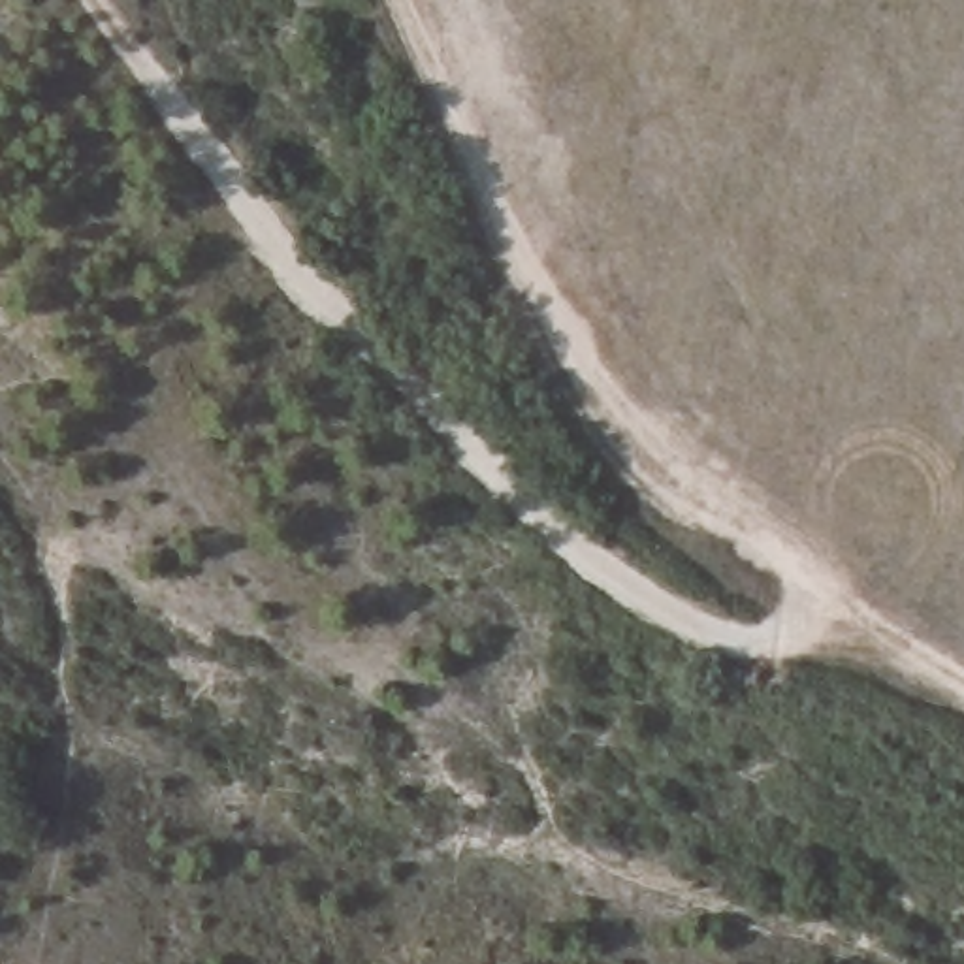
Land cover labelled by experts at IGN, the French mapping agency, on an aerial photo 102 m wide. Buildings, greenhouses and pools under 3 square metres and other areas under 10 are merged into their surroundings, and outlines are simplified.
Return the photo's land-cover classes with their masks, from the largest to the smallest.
<instances>
[{"label":"herbaceous vegetation","instance_id":"1","mask_svg":"<svg viewBox=\"0 0 964 964\"><path fill-rule=\"evenodd\" d=\"M90 0H0V60L19 64V72L34 79L41 68H49L45 30H68L90 75L98 79L102 98L109 102L113 94H128L132 117L139 121V151L154 143L166 147V158L154 166L166 207L173 215L203 211L211 233H241L237 218L230 215V203L215 188L211 169L188 158L181 136L169 132V117L158 109L151 87L128 72V64L113 53V41L98 30L94 15H87ZM38 264L23 256V237L8 241L0 230V395H8L11 414L23 410L30 429L23 433V448L34 459L64 463L75 456L79 478L87 486H102L139 474L162 444L181 441L192 429V403L203 392L154 384V392L147 395V418H139L124 433H109L98 444L72 452V444L60 437V422L83 410L72 399V384L83 380L90 369L83 365L79 350H72L64 313H26V290L34 286ZM218 324L237 331V343L226 350V358L233 365H245V384L237 388L233 403L218 414L222 426L271 422L275 407L267 392L275 384H286V392L301 399V410L316 418H346L350 399L339 395L335 380L316 377L309 369V362L320 354L324 335L335 324L309 316L279 286L256 301L237 297L218 313ZM109 320L102 324V335L143 369L158 350L203 335L196 324L181 320L177 297H158L154 313H143L136 297H128L109 301ZM286 478L297 482L309 505H301L279 527V538L290 546L282 557H252L245 550V535H230L218 527L173 535L169 527L177 512L166 505L162 490H147V501L132 508L102 501V527H87V512H72L68 520L64 512H53L38 527V554L64 625V644L56 659V719L26 712L34 727H45V738L30 742L23 768L8 783L19 806L45 821V844L53 847V855L45 862H34L23 877L8 885V915H19L26 930L0 934V964H908V956L892 953L870 934H859L855 926L764 915L757 904L742 908V900H727L715 889H697L674 877L655 859H629L610 847L587 851L561 832L542 764L535 761L531 723L523 719L538 708L550 682L546 663L554 618L520 610V595L497 584L493 572L512 569L520 554V542L505 535L474 542L459 527H448L437 542L403 546V538H410L414 531V520L403 508V482L410 478L407 441L395 433H365L358 444L339 437L335 452L309 448L286 467ZM75 565L109 569L132 591L136 603L162 610V621L173 629L177 651L169 667L181 678H188L192 697L211 700L226 723H233L245 700V682H264L275 689V697L282 700V734L271 746L267 761L271 787L252 791L245 783H215L211 791H203V810L211 813V821L166 825L162 832L143 828V795L136 791V764H166V746H158L154 734L143 727L109 731L79 712L72 697V670L79 663V629L72 618ZM663 531L674 535L689 557L708 565L731 591L757 599L768 614L779 606L783 591L776 572L742 557L731 538L670 520L663 523Z\"/></svg>","mask_w":964,"mask_h":964},{"label":"agricultural land","instance_id":"2","mask_svg":"<svg viewBox=\"0 0 964 964\"><path fill-rule=\"evenodd\" d=\"M392 19L407 41L410 60L422 79L456 90L459 105L471 109L474 128L467 136L486 139L490 162L501 169L493 196L505 230L512 222H523L531 249L542 256V267L550 271L565 301L587 320L595 350L603 365L621 380V388L644 410H674L678 429L734 467V474L742 478V497H768V516L783 531H798L802 546L810 538H828L832 569L844 572L847 584L874 610L911 625L919 640H930L934 648L964 663V0H395Z\"/></svg>","mask_w":964,"mask_h":964},{"label":"brushwood","instance_id":"3","mask_svg":"<svg viewBox=\"0 0 964 964\"><path fill-rule=\"evenodd\" d=\"M128 15V26L136 30V41L158 56L169 79H177V87L185 90L188 105L241 158H249L256 169H267L275 139H297L309 143L324 162L335 151V139H343V113L354 102L365 105L369 98L399 90L392 72L410 60L407 41L392 19L395 0H117ZM670 520L651 501H644L625 520V527L599 516L587 535L591 542L618 550L633 569H640L667 591L693 599L719 618L753 625L768 614L757 599L731 591L708 565L689 557L674 535L663 531V523ZM64 644V625L38 554V527L34 516L23 512L0 523V678L15 689V697H56V659ZM520 542V554L512 569L493 572L497 584L520 595V610L554 618L546 663L550 682L538 708L523 719L531 723L535 761L542 764L561 832L587 851L610 847L629 859H655L674 877L697 889H715L727 900H742V908L757 904L764 915L855 926L859 934H870L892 953L908 956V964H964V708L900 670H870L817 655L757 659L731 648L682 640L678 633L644 621L636 610L621 606L614 595L584 580L557 554L561 546L550 531L523 520L516 527H505V535ZM72 618L79 629V663L72 670V697L79 712L109 731L143 727L154 734L158 746H166V764H136V791L143 795V828L162 832L166 825L211 821V813L203 810V791H211L215 783H245L252 791L271 787L267 761L271 746L282 734V700L275 697V689L264 682H245V700L233 723H226L211 700L192 697L188 678H181L169 667L177 651L173 629L162 621V610L136 603L132 591L109 569L75 565Z\"/></svg>","mask_w":964,"mask_h":964},{"label":"deciduous trees","instance_id":"4","mask_svg":"<svg viewBox=\"0 0 964 964\"><path fill-rule=\"evenodd\" d=\"M49 68H41L34 79L19 72V64L0 60V230L8 241L23 237V256L38 264L34 286L26 290V313H64L72 350H79L83 365L90 369L83 380L72 384V399L83 410L60 422V437L72 444V452L98 444L109 433H124L139 418H147V395L154 392V384L203 392L192 403V429L181 441L162 444L139 474L102 486H87L79 478L75 456L64 463L34 459L23 448V433L30 429L23 410L11 414L8 395H0V523L23 512L34 516L38 527L53 512H64L68 520L72 512H87V527H102V501L132 508L147 501V490H162L166 505L177 512L169 527L173 535L218 527L230 535H245V550L252 557H282L290 546L279 538V527L301 505H309L297 482L286 478V467L309 448L335 452L339 437L358 444L365 433H395L407 441L410 478L403 482V508L414 520V531L410 538H403V546L437 542L448 527H459L474 542L505 535V527H516L523 520V512L531 508H554L580 535H587L599 516L587 505V497L569 490L580 452L557 429L546 392L531 384L523 354L497 335L490 313L497 290L463 264V252L471 245L456 241L463 226L459 181L444 169L437 143L418 147V113L410 98L399 90L369 98L365 105L354 102L343 113V139H335V151L324 162L309 143L297 139H275L267 169H256L249 158H241V166L249 169L245 188L252 196L279 203L282 222L294 233L297 260L316 267L350 297V316L335 324L324 335L320 354L309 362V369L316 377L335 380L339 395L350 399L346 418H316L301 410V399L286 392V384H275L267 392L275 407L271 422L222 426L218 414L233 403L237 388L245 384V365H233L226 358V350L237 343V331L218 324V313L237 297L256 301L279 286L271 267L249 249L241 233H211L203 211L173 215L166 207L154 166L166 158V147L154 143L139 151V121L132 117L128 94H113L109 102L102 98L98 79L90 75L68 30H45ZM128 297H136L143 313H154L158 297H177L181 320L196 324L203 335L158 350L143 369L102 335V324L109 320V301ZM444 422L471 426L490 444V452L505 456V471L512 474L508 493H493L482 478H474L463 467V456L448 437ZM26 712L56 719V697H15V689L0 678V934L26 930L19 915H8V885L23 877L34 862H45L53 855V847L45 844V821L19 806L8 783L23 768L30 742L45 738V727H34Z\"/></svg>","mask_w":964,"mask_h":964},{"label":"pervious surface","instance_id":"5","mask_svg":"<svg viewBox=\"0 0 964 964\"><path fill-rule=\"evenodd\" d=\"M87 15H94L98 30L113 41V53L128 64V72L151 87L158 109L169 117V132L181 136L188 158L211 169L215 188L230 203V215L237 218L241 233L249 249L271 267L279 286L309 316L335 324L350 316V297L316 267L297 260L294 233L282 222L279 203L252 196L245 188L249 169L241 166V158L188 105L185 90L177 87V79H169L158 56L136 41V30L128 26V15L117 0H90ZM399 90L410 98L418 113V147L437 143L444 169L459 181L463 226L456 241L471 245L463 252V264L497 290L490 313L497 335L523 354L531 384L546 392L557 429L580 452L569 490L587 497V505L599 516L625 527V520L644 501H651L670 520L731 538L742 557L776 572L783 591L779 606L768 614L753 625L719 618L693 599L667 591L640 569H633L618 550L591 542L587 535H580L554 508H531L523 512V520L550 531L561 546L557 554L584 580L614 595L621 606L636 610L644 621L678 633L682 640L731 648L757 659L817 655L870 670H900L964 708V663L934 648L930 640H919L911 625L874 610L847 584L844 572L832 569L828 538H810L802 546L798 531H783L768 516V497H742V478L734 474V467L678 429L674 410H644L621 388V380L603 365L595 350L587 320L565 301L550 271L542 267V256L531 249L523 222H512L505 230L493 196L501 169L490 162L486 139L467 136L474 128L471 109L459 105L456 90L422 79L410 60L392 72ZM448 437L463 456V467L474 478H482L493 493H508L512 474L505 471V456L490 452V444L471 426L444 422Z\"/></svg>","mask_w":964,"mask_h":964}]
</instances>
